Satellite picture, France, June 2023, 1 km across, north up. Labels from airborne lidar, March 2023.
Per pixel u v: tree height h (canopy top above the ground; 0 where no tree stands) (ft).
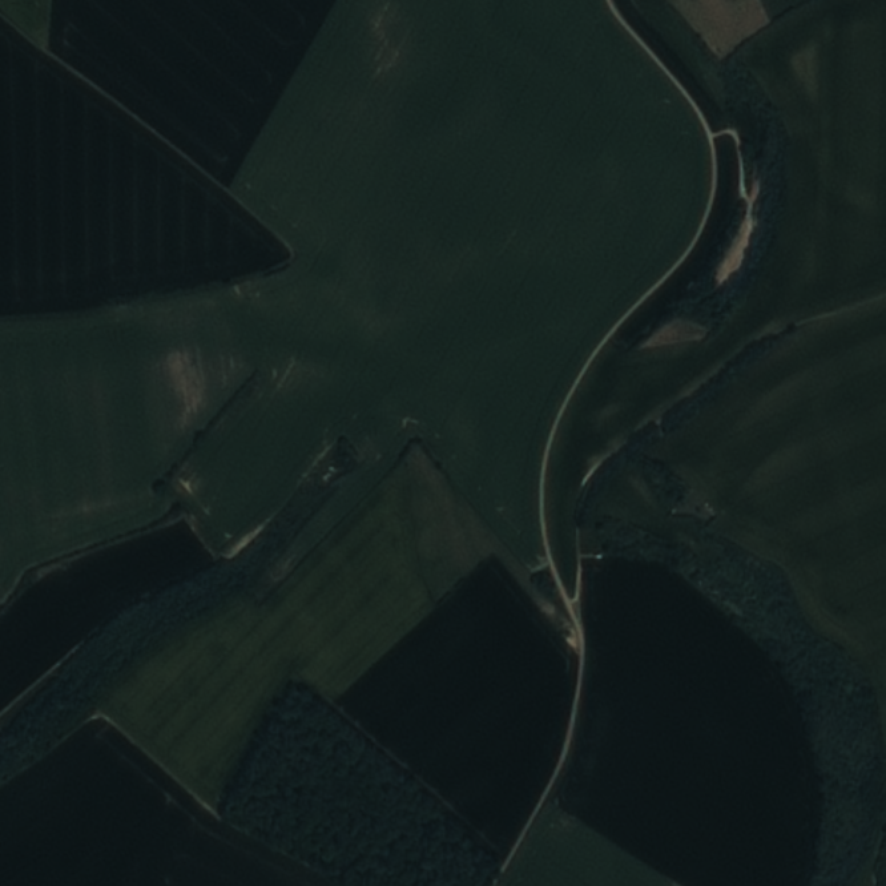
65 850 0
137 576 0
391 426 0
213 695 0
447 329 0
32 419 0
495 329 0
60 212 0
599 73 0
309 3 0
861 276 0
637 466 28
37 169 0
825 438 0
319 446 0
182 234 0
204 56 0
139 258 0
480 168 0
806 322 0
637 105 0
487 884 59
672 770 0
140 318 0
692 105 0
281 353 0
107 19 0
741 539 0
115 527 0
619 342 0
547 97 0
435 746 0
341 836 74
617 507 0
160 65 0
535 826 0
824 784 41
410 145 0
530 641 0
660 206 0
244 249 0
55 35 0
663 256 0
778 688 0
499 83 0
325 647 0
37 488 0
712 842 0
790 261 0
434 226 0
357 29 0
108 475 0
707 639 0
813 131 0
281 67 0
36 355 0
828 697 19
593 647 0
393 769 62
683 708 0
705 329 0
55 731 38
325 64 0
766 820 0
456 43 0
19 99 0
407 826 81
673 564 35
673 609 0
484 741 0
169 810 0
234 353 0
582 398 0
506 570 0
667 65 0
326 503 0
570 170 0
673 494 32
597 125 0
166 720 0
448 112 0
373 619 0
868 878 0
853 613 0
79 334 0
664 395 0
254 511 0
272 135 0
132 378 0
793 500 0
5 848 0
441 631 0
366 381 0
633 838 0
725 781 0
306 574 0
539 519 0
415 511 0
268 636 0
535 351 0
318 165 0
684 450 0
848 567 0
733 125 0
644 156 0
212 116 0
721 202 0
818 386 0
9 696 0
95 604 0
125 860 0
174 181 0
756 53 0
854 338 0
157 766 0
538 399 0
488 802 0
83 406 0
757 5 0
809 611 0
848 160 0
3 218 0
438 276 0
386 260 0
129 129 0
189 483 0
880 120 0
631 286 0
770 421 0
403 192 0
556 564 0
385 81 0
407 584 0
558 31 0
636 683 0
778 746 0
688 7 0
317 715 75
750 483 0
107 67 0
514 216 0
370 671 0
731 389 0
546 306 0
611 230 0
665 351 0
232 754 0
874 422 0
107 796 0
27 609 0
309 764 85
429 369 0
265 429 0
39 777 0
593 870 0
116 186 0
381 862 80
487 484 0
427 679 0
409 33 0
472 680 0
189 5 0
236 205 0
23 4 0
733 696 0
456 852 70
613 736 0
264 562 0
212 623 0
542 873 0
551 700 0
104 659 51
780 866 0
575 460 0
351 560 0
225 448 0
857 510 0
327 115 0
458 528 0
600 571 0
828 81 0
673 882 0
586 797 0
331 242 0
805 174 0
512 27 0
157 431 0
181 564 0
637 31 0
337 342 0
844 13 0
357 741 74
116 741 0
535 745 0
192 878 0
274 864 0
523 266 0
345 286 0
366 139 0
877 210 0
